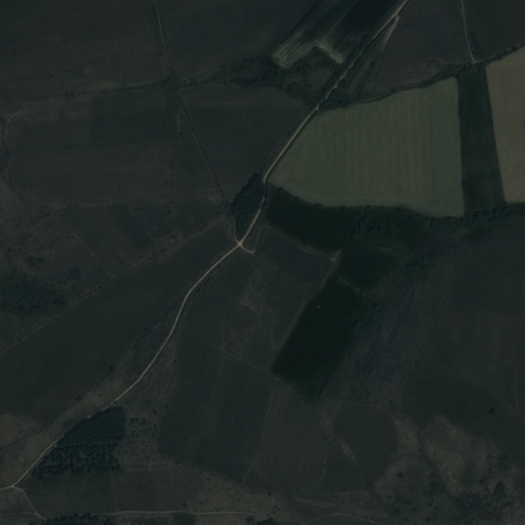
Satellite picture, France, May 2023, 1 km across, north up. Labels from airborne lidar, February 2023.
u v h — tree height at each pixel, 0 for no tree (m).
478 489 0
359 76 0
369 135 0
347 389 0
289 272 0
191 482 0
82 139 0
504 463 0
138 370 0
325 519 0
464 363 0
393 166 0
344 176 0
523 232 0
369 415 0
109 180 0
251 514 0
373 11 0
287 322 0
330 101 8
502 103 0
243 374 0
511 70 0
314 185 0
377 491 0
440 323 0
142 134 0
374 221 0
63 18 0
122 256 0
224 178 0
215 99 0
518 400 0
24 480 0
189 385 0
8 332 0
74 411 0
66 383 0
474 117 0
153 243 0
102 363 0
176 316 0
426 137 0
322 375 0
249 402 0
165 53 0
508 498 0
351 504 0
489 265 0
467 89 0
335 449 0
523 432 0
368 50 7
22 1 0
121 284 0
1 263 0
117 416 15
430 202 0
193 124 0
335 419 0
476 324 0
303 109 0
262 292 0
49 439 0
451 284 0
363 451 0
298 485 0
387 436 0
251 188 19
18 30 0
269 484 0
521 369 0
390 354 0
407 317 0
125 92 0
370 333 0
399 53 0
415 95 0
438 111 0
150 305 0
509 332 0
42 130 0
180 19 0
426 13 0
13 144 0
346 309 0
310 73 0
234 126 0
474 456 0
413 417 0
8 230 0
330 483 0
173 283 0
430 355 0
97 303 0
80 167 0
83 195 0
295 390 0
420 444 0
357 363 0
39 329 0
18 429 0
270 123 0
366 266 0
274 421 0
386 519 0
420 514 0
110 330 0
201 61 0
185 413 0
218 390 0
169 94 0
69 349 0
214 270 0
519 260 0
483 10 0
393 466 0
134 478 0
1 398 0
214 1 0
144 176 0
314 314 0
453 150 0
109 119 0
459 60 0
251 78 0
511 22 0
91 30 0
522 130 0
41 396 0
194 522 0
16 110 0
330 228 0
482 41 0
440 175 0
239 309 0
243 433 0
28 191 0
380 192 0
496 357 0
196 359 0
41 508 0
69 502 0
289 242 0
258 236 0
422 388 0
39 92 0
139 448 0
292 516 0
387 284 0
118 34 0
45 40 0
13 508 0
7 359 0
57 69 0
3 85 0
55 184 0
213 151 0
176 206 0
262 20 0
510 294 0
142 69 0
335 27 0
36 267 0
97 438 18
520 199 0
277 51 0
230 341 0
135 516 0
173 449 0
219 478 0
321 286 0
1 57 0
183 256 0
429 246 0
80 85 0
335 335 0
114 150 0
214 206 0
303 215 0
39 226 0
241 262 0
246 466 0
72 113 0
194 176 0
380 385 0
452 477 0
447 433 0
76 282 0
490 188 0
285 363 0
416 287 0
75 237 0
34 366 0
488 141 0
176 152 0
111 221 0
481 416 0
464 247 0
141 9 0
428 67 0
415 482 0
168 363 0
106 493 0
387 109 0
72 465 9
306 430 0
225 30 0
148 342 0
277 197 0
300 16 0
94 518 8
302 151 0
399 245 0
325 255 0
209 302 0
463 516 0
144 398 0
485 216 11
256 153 0
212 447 0
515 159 0
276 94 0
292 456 0
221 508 0
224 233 0
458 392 0
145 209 0
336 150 0
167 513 0
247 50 0
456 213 0
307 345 0
